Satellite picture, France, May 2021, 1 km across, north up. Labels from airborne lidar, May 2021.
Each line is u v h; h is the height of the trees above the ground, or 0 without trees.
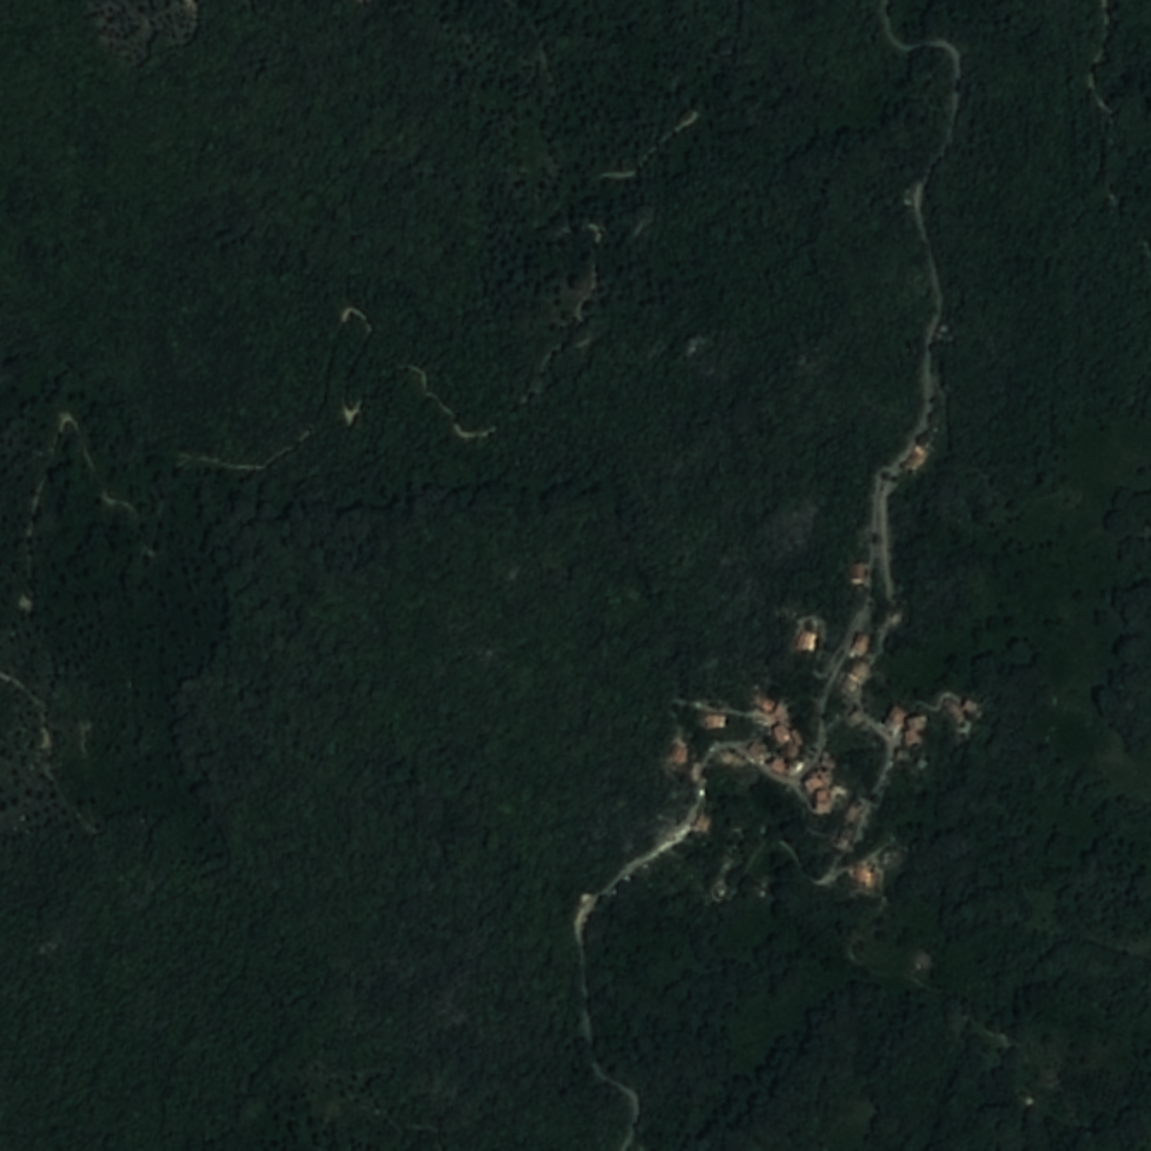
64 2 10
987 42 15
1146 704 18
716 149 8
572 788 9
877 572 11
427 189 13
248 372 10
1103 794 12
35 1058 9
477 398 9
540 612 14
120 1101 8
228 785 18
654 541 8
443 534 10
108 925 13
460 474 7
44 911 12
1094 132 10
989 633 10
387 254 13
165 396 9
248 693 19
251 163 13
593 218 12
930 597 17
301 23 12
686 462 10
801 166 18
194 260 11
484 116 8
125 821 9
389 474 8
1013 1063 10
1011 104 8
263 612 16
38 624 8
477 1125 11
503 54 9
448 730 14
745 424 18
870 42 17
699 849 7
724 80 18
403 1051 10
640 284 16
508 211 13
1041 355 8
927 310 8
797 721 9
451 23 13
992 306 11
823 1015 14
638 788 9
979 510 12
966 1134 14
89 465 11
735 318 7
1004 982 17
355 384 9
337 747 17
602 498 25
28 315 9
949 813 13
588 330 12
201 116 11
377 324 10
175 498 19
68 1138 9
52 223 16
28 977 8
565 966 15
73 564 14
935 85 13
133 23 13
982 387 14
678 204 8
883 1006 13
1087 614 0
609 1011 11
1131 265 8
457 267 16
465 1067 14
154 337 7
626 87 8
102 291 11
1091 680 0
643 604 11
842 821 14
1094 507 0
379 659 11
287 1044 12
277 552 22
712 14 10
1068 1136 11
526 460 10
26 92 14
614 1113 9
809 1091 15
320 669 20
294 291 10
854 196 14
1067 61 8
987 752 14
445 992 12
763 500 14
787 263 6
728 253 7
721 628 6
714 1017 11
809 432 13
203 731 17
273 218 14
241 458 10
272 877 11
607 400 7
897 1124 16
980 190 7
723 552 9
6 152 11
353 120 17
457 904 15
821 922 15
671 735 11
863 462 10
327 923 11
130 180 12
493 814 18
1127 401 12
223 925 14
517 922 14
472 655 9
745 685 7
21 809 13
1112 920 6
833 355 10
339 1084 13
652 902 17
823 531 13
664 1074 14
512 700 11
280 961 11
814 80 15
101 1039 10
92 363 15
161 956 10
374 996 11
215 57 15
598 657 11
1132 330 13
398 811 19
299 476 9
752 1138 16
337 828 15
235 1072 9
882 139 18
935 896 12
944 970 6
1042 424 11
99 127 8
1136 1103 7
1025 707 14
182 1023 8
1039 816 8
